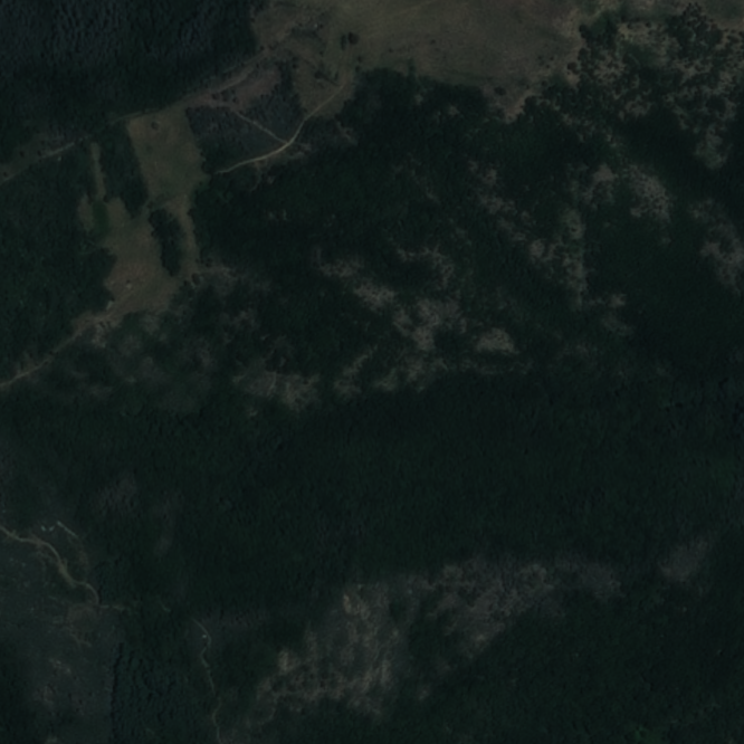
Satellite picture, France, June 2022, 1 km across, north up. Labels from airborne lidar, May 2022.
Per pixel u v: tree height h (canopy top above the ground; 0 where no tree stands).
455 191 14
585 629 16
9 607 0
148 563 12
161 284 0
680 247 12
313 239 9
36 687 0
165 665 10
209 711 8
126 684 25
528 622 15
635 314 13
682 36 7
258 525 21
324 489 22
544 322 13
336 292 14
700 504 16
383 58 0
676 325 18
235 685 7
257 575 13
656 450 19
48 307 9
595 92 5
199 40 16
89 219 0
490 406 32
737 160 11
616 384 19
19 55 16
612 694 18
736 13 0
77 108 7
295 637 7
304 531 25
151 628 7
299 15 0
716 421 25
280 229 10
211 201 13
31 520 0
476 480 22
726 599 20
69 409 21
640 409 17
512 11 0
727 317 17
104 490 12
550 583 11
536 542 17
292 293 8
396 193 12
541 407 23
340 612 0
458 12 0
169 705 25
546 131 14
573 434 19
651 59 0
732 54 6
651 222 7
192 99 0
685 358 19
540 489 22
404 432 30
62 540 0
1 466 9
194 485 10
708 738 12
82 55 15
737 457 18
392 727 12
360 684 0
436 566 10
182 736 8
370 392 7
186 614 10
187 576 7
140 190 7
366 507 14
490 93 0
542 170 12
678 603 12
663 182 7
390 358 9
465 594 10
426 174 14
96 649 0
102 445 7
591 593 8
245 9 8
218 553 17
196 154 0
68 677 0
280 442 19
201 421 28
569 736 15
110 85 13
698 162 11
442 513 22
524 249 6
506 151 9
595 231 8
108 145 8
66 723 10
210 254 9
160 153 0
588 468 22
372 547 18
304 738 8
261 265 8
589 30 9
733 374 18
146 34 17
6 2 20
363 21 0
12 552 0
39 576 0
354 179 16
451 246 9
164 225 13
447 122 8
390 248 9
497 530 17
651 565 11
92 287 6
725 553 15
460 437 27
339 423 30
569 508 17
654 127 10
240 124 9
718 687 17
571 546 8
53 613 0
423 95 7
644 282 13
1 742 12
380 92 6
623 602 12
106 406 8
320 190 13
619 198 7
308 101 0
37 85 8
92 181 9
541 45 0
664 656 15
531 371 10
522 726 19
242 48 6
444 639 9
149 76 12
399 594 0
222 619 9
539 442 28
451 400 25
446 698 10
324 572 10
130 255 0
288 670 0
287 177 11
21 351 7
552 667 20
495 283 6
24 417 7
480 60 0
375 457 20
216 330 11
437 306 0
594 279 10
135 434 17
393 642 0
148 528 12
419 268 12
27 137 9
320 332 18
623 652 21
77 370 8
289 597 10
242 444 20
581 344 6
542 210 8
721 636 23
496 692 17
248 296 8
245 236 17
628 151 7
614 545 16
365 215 19
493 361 8
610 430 19
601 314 8
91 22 9
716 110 7
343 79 0
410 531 18
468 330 6
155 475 21
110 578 20
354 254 7
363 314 9
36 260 9
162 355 11
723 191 18
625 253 9
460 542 14
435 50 0
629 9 0
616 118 8
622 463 22
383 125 10
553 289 12
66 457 11
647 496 21
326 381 9
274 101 9
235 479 12
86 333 0
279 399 6
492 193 7
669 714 17
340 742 18
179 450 28
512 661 6
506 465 24
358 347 12
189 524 18
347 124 8
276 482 33
